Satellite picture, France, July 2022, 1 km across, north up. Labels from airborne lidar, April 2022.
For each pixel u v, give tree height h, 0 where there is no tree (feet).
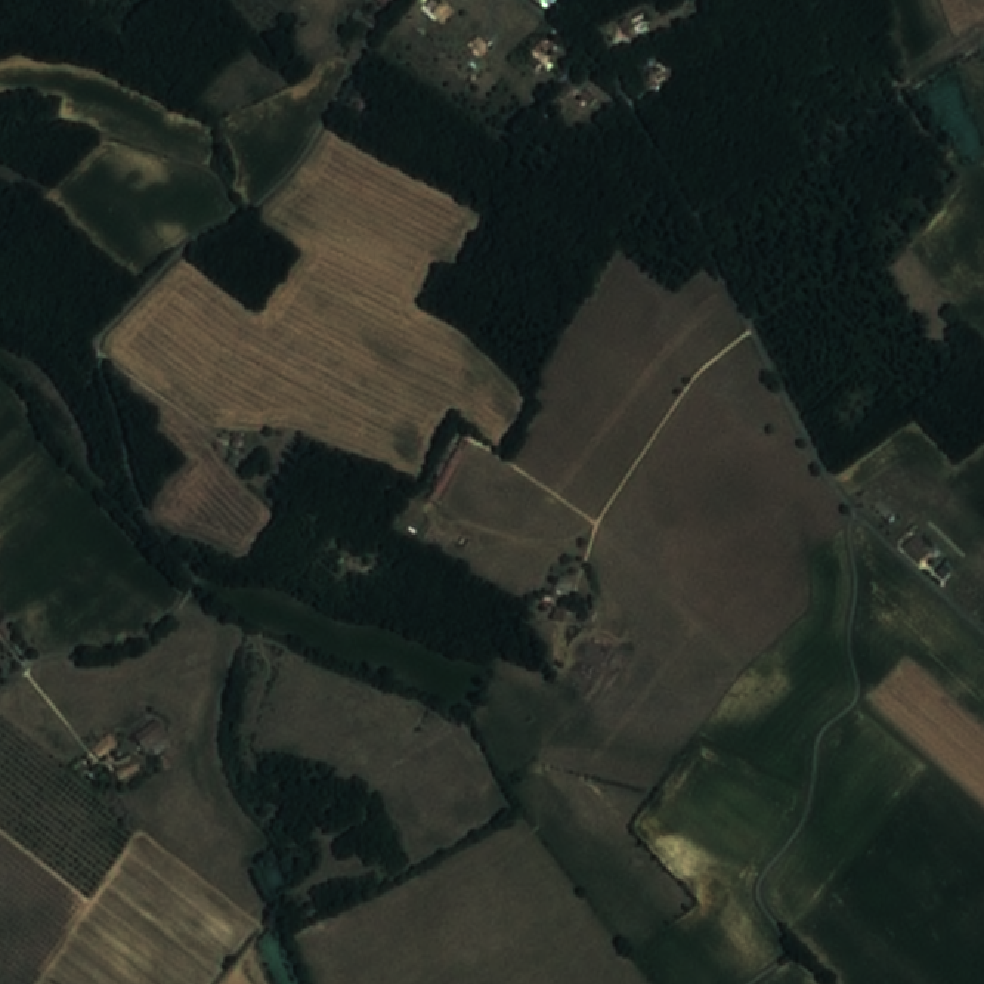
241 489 0
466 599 49
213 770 0
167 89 34
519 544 0
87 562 0
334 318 0
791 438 0
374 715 0
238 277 48
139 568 0
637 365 0
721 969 0
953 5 0
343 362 0
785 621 0
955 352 52
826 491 0
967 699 0
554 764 0
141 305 0
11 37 59
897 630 0
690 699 0
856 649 0
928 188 52
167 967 0
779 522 0
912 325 21
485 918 0
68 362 48
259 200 0
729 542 0
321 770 46
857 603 0
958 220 0
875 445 23
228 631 0
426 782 0
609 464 0
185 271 0
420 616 72
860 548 0
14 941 0
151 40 52
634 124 40
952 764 0
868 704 0
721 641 0
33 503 0
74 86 0
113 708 0
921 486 0
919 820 0
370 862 34
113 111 0
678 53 50
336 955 0
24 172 47
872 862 0
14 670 19
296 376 0
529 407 43
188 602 0
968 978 0
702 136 33
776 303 34
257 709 0
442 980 0
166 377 0
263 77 0
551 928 0
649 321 0
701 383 0
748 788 0
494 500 0
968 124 0
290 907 45
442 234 0
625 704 0
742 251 42
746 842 0
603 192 49
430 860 21
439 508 0
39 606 0
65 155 47
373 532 52
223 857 0
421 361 0
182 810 0
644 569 0
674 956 0
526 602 22
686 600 0
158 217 0
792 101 41
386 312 0
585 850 0
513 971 0
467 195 62
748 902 0
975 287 0
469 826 0
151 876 0
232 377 0
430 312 40
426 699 28
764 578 0
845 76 34
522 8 0
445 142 69
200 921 0
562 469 0
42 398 0
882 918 0
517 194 74
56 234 60
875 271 62
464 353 0
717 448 0
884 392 24
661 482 0
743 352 0
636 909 0
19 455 0
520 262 63
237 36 54
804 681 0
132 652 51
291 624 0
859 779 0
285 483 60
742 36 48
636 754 0
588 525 0
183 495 0
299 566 37
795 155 52
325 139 0
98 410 38
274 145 0
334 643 0
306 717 0
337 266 0
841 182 67
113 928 0
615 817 0
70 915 0
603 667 0
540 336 24
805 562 0
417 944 0
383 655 0
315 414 0
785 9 44
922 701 0
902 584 0
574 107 0
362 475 65
